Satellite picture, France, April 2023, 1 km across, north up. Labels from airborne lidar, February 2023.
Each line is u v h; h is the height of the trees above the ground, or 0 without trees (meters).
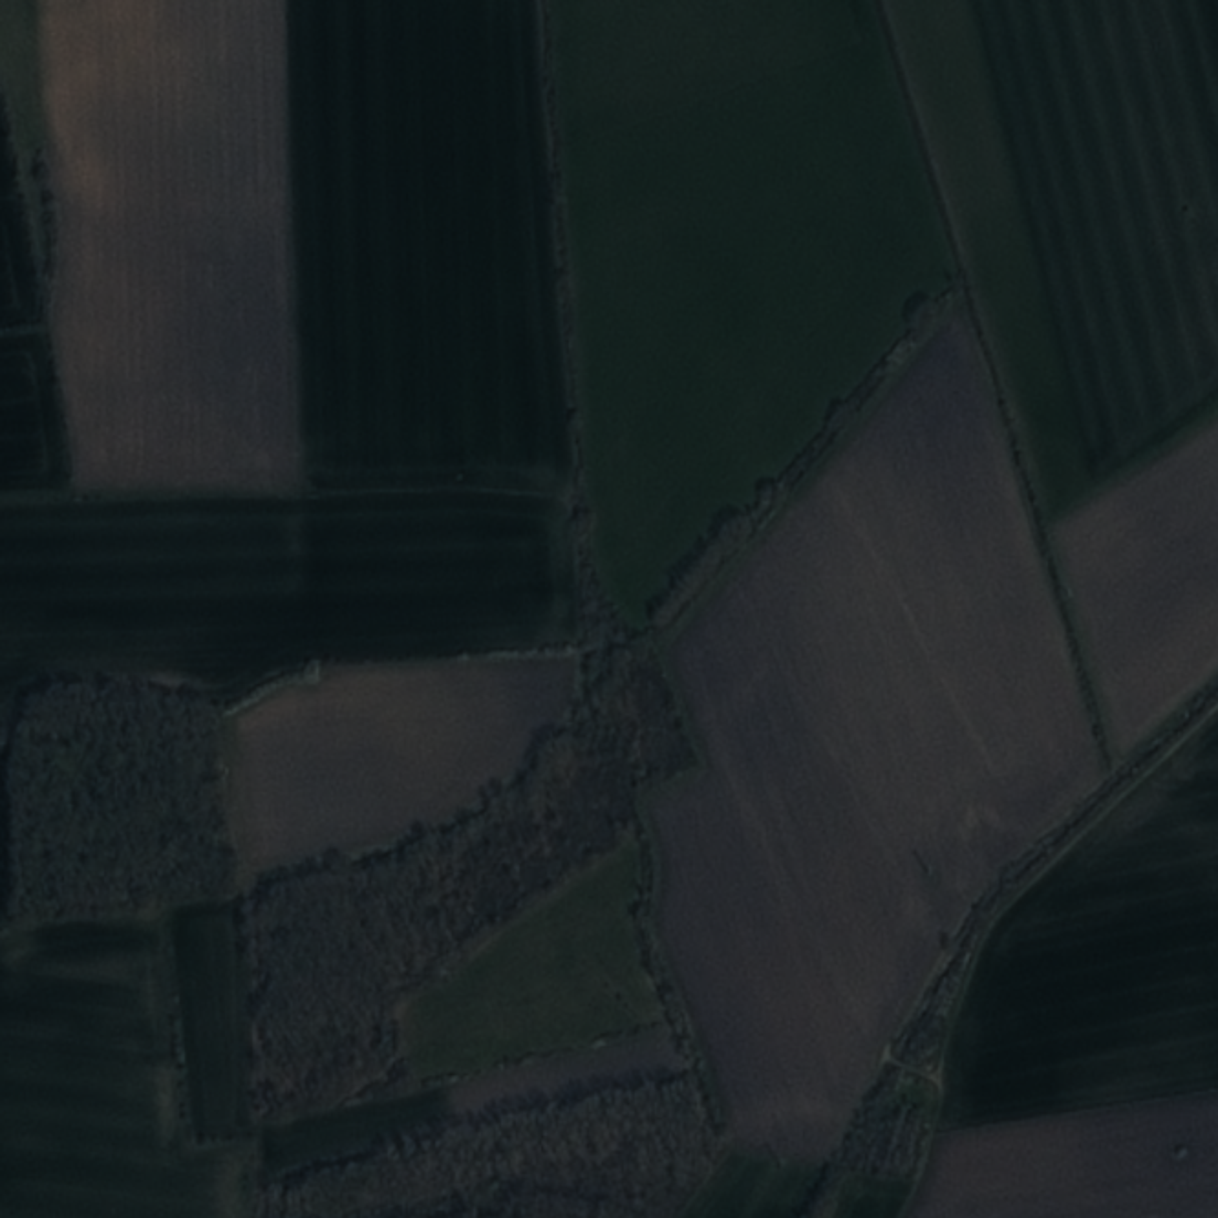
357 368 0
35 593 0
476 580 0
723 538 18
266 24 0
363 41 0
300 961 23
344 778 0
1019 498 0
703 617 0
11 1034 0
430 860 21
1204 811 0
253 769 0
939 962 0
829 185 0
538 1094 0
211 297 0
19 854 23
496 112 0
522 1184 16
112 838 31
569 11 0
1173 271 0
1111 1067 0
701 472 0
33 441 0
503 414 0
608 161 0
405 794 0
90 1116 0
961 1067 0
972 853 0
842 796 0
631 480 0
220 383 0
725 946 0
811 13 0
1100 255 0
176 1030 7
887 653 0
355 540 0
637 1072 0
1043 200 0
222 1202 0
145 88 0
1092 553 0
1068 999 0
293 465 0
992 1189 0
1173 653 0
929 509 0
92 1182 0
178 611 0
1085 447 0
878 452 0
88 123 0
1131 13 0
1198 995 0
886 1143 7
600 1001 0
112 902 28
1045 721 0
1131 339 0
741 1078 0
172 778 29
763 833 0
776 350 0
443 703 0
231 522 0
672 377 0
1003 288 0
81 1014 0
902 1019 0
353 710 0
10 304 0
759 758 0
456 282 0
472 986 0
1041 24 0
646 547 0
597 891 0
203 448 0
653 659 7
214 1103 0
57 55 0
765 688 0
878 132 0
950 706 0
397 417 0
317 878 19
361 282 0
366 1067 15
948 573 0
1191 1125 0
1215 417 0
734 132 0
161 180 0
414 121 0
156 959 0
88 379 0
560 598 0
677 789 0
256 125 0
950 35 0
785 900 0
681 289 0
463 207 0
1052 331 0
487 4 0
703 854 0
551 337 0
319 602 0
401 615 0
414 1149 11
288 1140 0
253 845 0
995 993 0
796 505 0
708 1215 0
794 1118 0
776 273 0
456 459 0
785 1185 0
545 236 0
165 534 0
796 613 0
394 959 26
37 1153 0
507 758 0
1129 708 0
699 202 0
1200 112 0
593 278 0
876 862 0
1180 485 0
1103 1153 0
